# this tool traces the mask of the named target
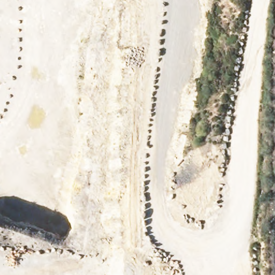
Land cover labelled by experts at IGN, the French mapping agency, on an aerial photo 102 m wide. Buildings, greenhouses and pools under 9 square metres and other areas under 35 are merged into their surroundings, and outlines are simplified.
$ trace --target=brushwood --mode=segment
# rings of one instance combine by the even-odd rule
[[[252,2],[249,0],[238,0],[236,5],[240,8],[241,14],[236,18],[233,31],[240,33],[245,27],[246,11],[251,9]]]
[[[207,82],[216,78],[216,64],[206,55],[202,56],[201,75],[196,78],[197,99],[194,106],[207,106],[212,96],[209,95]]]
[[[226,131],[225,119],[229,106],[235,106],[230,97],[227,93],[222,97],[218,115],[214,117],[217,122],[216,134]]]

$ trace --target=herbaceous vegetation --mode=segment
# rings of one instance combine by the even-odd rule
[[[258,112],[257,189],[249,237],[252,275],[275,275],[275,0],[270,0],[266,18]]]
[[[227,23],[223,28],[221,26],[220,14],[223,5],[213,4],[212,10],[206,12],[206,55],[216,64],[216,78],[207,82],[209,95],[212,96],[222,89],[226,89],[227,93],[230,97],[234,93],[234,79],[240,78],[235,76],[234,72],[236,58],[243,55],[240,55],[241,44],[238,43],[237,35],[228,32],[230,24]]]

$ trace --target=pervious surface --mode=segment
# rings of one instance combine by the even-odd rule
[[[236,18],[241,14],[240,8],[236,5],[238,0],[0,0],[0,275],[252,275],[249,237],[257,189],[258,112],[266,18],[270,0],[249,0],[252,2],[251,9],[246,11],[245,27],[240,33],[233,31]],[[236,58],[234,72],[235,76],[240,78],[234,79],[234,93],[230,97],[235,106],[229,106],[225,119],[226,131],[216,134],[217,122],[214,117],[218,115],[222,97],[227,93],[226,89],[222,89],[212,96],[207,106],[194,106],[197,99],[196,78],[201,75],[202,56],[206,55],[206,12],[212,10],[213,4],[223,5],[220,14],[221,26],[223,28],[227,23],[230,24],[228,32],[237,35],[238,43],[241,44],[240,55],[243,55]]]

